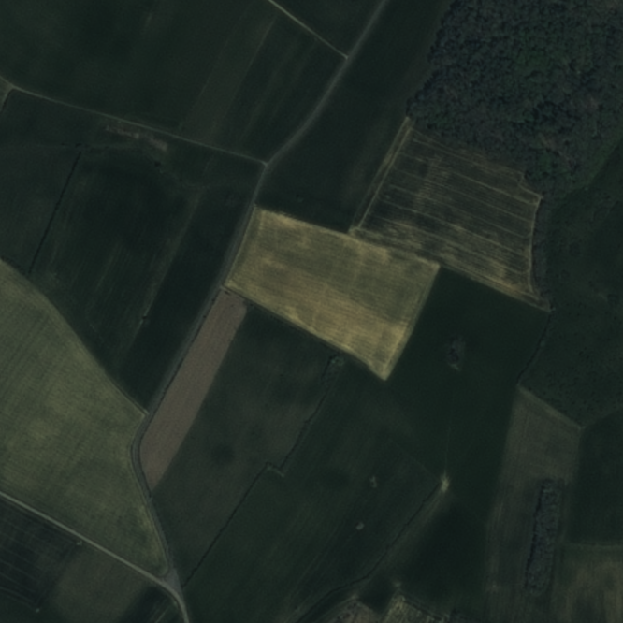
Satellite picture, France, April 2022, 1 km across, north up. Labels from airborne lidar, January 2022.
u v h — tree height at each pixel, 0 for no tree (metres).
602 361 0
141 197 0
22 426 0
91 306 0
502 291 0
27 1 0
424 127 20
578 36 27
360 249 0
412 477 0
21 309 0
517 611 0
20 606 0
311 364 0
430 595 0
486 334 0
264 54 0
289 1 0
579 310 0
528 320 0
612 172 0
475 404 0
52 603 0
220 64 0
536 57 22
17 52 0
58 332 0
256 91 0
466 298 0
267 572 0
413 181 0
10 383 0
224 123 0
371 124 0
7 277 0
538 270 15
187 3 0
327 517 0
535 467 0
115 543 0
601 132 26
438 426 0
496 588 0
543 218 18
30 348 0
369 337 0
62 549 0
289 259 0
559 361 0
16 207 0
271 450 0
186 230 0
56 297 0
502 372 0
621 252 0
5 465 0
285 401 0
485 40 19
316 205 0
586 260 0
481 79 25
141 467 0
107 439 0
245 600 0
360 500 0
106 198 0
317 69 0
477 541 0
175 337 0
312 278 0
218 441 0
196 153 0
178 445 0
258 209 0
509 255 0
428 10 0
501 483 0
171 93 0
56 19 0
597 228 0
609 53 27
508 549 0
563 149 30
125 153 0
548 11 31
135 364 0
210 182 0
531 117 24
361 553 0
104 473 0
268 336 0
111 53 0
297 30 0
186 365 0
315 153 0
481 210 0
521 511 0
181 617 0
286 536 0
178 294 0
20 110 0
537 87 23
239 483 0
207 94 0
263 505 0
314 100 0
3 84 0
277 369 0
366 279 0
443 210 0
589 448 0
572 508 0
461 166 0
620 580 0
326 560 0
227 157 0
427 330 0
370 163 0
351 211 0
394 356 0
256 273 0
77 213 0
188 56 0
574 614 0
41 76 0
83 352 0
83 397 0
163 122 0
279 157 0
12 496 0
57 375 0
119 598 0
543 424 0
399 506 0
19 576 0
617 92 32
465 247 0
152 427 0
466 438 0
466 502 0
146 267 0
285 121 0
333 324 0
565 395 0
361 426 0
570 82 26
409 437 0
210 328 0
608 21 29
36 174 0
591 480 0
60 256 0
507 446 0
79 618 0
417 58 0
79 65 0
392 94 0
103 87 0
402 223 0
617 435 0
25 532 0
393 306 0
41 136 0
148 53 0
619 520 0
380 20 0
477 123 27
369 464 0
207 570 0
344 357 6
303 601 0
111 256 0
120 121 0
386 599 0
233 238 0
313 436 0
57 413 0
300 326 0
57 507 0
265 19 0
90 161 0
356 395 0
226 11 0
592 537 0
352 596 0
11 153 0
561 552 0
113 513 0
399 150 0
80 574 0
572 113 28
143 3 0
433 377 0
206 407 0
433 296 0
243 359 0
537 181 20
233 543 0
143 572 0
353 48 0
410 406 0
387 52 0
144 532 0
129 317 0
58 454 0
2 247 0
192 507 0
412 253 0
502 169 0
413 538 0
